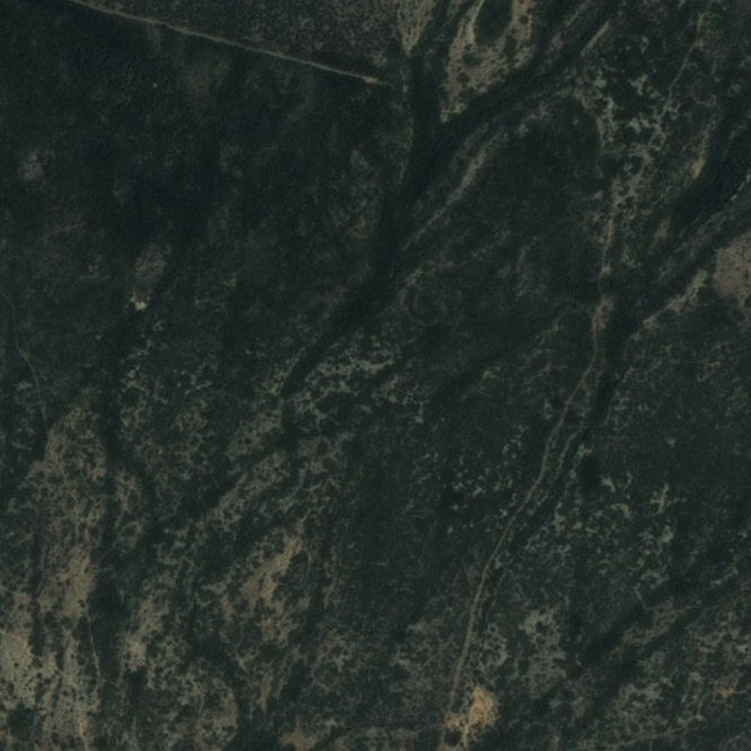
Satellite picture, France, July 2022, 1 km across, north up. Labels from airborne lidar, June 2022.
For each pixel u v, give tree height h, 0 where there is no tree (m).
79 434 0
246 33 6
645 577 0
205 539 0
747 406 0
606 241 0
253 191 6
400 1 0
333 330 6
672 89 5
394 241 8
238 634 0
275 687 0
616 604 0
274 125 7
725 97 7
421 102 7
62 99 6
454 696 0
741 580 0
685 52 0
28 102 6
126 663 0
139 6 5
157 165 5
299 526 0
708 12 0
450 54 0
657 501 0
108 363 6
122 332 6
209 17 7
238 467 0
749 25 0
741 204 0
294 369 6
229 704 0
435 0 0
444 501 5
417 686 0
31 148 0
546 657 0
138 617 0
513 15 0
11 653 0
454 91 0
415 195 10
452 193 0
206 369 6
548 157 6
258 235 0
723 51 0
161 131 7
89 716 0
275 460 0
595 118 0
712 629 0
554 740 0
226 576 0
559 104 0
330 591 0
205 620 0
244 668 0
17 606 0
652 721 0
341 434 0
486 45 0
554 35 0
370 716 0
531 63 6
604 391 8
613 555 0
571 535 0
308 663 0
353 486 0
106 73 6
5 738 0
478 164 0
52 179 5
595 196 0
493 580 6
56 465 0
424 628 0
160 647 0
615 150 0
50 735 0
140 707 0
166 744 0
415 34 0
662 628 0
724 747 0
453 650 0
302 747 0
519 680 0
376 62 0
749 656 0
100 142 5
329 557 0
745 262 0
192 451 0
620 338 6
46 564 0
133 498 0
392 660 0
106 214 6
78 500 0
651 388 0
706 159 6
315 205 5
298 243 6
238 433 0
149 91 5
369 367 0
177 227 6
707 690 0
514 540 5
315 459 0
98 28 6
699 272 0
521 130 0
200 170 8
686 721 0
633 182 0
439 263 0
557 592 0
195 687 0
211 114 6
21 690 0
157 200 5
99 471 0
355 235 0
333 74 6
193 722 0
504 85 6
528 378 0
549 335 0
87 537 0
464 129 6
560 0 7
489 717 0
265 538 0
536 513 6
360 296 6
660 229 0
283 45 6
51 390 0
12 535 0
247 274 0
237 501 0
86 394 0
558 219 0
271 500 0
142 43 5
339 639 0
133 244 5
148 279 0
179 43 0
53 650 0
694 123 0
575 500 0
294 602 0
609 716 0
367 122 6
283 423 6
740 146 6
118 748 0
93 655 0
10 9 6
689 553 0
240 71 6
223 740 0
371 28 5
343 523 0
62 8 6
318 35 6
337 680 0
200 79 0
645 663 0
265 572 0
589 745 0
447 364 0
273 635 0
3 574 0
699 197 9
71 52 6
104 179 5
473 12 0
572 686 0
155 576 0
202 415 6
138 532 0
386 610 0
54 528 0
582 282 6
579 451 0
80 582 0
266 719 0
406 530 0
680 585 6
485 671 0
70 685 0
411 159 6
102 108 6
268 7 6
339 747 0
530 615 0
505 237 0
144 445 0
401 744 0
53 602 0
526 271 0
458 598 0
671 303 0
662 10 0
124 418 0
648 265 5
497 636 0
